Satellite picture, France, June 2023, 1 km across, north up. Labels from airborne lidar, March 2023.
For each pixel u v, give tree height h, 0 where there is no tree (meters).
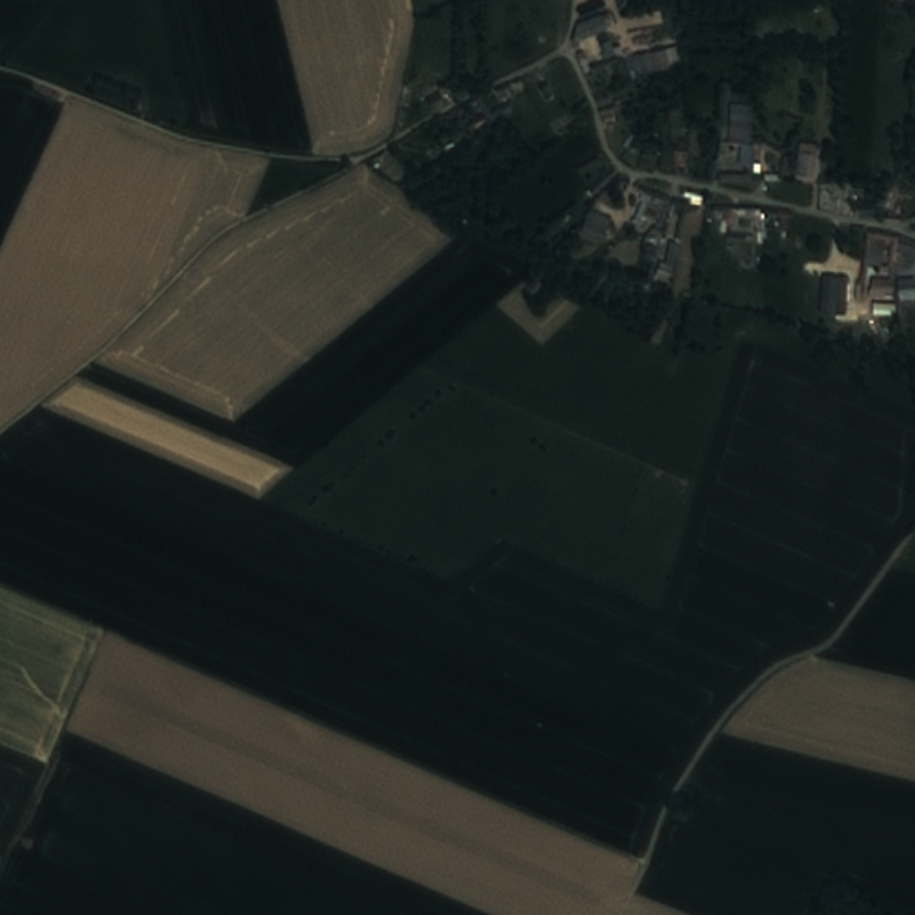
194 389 0
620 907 0
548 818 0
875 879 0
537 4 0
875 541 0
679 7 14
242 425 0
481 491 0
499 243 10
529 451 0
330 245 0
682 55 12
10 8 0
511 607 0
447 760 0
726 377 0
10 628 0
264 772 0
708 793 0
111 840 0
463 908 0
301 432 0
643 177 0
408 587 0
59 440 0
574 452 0
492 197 15
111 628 0
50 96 0
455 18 6
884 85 0
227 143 0
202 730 0
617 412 0
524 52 0
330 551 0
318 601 0
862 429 0
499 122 14
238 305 0
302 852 0
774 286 0
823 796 0
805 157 0
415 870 0
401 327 0
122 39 0
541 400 0
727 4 22
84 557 0
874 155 0
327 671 0
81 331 0
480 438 0
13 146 0
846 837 0
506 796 0
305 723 0
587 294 12
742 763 0
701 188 0
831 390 0
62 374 0
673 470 0
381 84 0
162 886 0
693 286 6
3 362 0
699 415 0
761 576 0
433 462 0
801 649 0
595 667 0
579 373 0
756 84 18
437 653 0
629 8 8
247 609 0
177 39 0
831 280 0
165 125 0
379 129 0
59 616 0
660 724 0
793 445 0
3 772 0
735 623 0
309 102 0
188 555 0
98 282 0
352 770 0
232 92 0
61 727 0
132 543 0
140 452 0
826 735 0
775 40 20
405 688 0
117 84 8
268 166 0
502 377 0
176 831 0
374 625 0
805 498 0
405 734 0
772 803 0
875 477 0
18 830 0
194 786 0
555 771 0
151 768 0
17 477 0
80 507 0
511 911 0
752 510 0
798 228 0
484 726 0
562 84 0
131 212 0
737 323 0
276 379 0
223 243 0
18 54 0
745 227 0
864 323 0
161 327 0
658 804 0
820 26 0
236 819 0
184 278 0
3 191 0
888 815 0
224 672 0
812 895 0
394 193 0
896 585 0
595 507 0
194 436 0
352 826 0
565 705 0
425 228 0
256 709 0
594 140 0
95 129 0
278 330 0
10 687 0
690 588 0
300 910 0
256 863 0
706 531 0
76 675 0
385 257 0
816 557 0
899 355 11
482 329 0
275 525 0
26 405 0
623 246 0
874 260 0
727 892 0
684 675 0
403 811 0
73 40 0
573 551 0
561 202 0
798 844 0
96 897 0
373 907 0
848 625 0
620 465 0
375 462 0
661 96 12
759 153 0
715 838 0
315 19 0
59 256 0
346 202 0
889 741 0
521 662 0
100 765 0
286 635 0
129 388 0
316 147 0
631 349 0
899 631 0
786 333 0
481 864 0
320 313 0
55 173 0
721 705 0
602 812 0
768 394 0
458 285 0
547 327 0
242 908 0
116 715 0
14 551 0
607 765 0
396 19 0
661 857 0
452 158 12
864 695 0
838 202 0
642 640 0
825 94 0
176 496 0
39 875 0
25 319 0
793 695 0
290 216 0
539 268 19
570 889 0
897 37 0
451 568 0
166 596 0
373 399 0
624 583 0
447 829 0
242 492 0
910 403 0
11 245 0
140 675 0
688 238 0
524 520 0
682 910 0
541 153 7
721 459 0
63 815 0
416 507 0
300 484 0
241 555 0
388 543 0
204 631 0
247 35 0
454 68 7
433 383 0
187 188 0
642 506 0
